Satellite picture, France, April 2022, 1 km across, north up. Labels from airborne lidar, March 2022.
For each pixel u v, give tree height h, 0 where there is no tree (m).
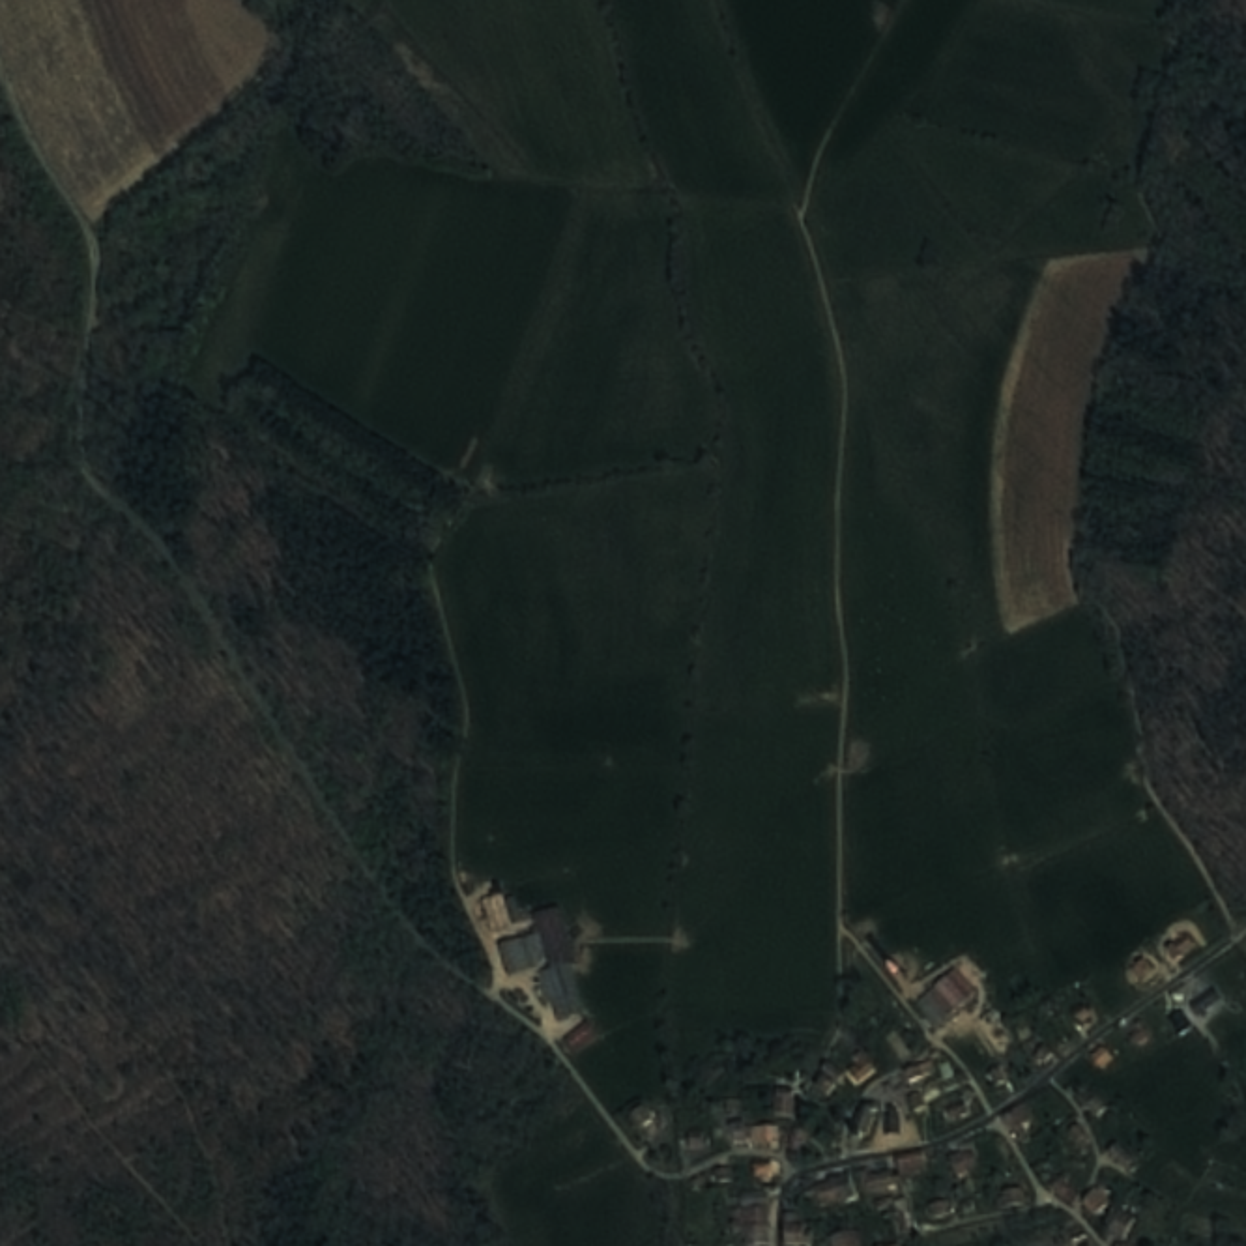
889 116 0
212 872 13
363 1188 24
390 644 22
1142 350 27
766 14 0
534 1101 13
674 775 0
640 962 0
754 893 0
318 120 22
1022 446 0
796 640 0
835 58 0
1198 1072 0
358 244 0
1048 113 0
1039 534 0
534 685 0
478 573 0
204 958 26
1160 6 0
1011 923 0
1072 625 0
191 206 24
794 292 0
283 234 0
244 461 18
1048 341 0
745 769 0
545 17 0
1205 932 0
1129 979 0
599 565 0
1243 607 26
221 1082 17
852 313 0
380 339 0
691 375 0
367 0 0
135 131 0
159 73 0
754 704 0
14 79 0
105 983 26
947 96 0
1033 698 0
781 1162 0
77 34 0
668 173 0
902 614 0
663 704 0
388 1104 26
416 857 16
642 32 0
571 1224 0
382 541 19
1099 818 0
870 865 0
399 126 20
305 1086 7
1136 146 0
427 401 0
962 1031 0
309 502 15
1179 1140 0
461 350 0
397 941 24
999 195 0
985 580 0
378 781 26
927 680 0
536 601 0
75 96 0
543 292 0
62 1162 9
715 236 0
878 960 0
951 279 0
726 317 0
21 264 8
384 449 15
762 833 0
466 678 0
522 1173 0
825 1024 0
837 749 0
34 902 29
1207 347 26
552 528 0
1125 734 0
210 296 18
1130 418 14
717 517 0
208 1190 11
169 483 27
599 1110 0
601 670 0
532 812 0
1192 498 16
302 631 27
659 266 0
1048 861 0
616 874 0
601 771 0
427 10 0
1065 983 0
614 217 0
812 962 0
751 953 0
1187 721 24
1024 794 0
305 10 19
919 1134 0
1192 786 23
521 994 0
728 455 0
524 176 0
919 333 0
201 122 0
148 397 26
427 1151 23
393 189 0
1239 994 0
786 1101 0
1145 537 19
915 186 0
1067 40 0
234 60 0
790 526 0
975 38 0
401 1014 23
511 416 0
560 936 0
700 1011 0
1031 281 0
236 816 17
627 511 0
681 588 0
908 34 0
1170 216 18
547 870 0
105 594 22
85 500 26
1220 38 22
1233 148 23
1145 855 0
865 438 0
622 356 0
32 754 29
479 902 0
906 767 0
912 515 0
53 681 25
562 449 0
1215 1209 0
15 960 27
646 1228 0
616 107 0
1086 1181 0
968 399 0
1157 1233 0
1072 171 0
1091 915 0
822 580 0
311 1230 23
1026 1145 6
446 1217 25
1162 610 26
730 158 0
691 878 0
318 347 0
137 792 17
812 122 0
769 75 0
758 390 0
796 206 0
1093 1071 0
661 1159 7
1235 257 25
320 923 21
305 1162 16
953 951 0
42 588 10
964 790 0
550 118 0
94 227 0
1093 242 0
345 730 24
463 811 0
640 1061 0
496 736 0
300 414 17
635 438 0
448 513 19
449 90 0
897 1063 0
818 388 0
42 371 29
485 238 0
